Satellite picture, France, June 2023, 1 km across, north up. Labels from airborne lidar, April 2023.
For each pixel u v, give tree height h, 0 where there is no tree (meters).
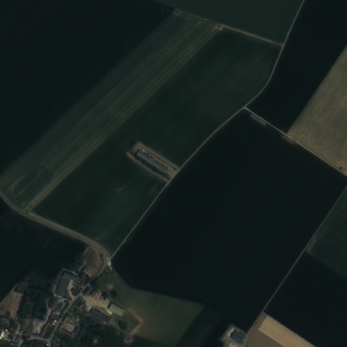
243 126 0
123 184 0
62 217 0
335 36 0
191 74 0
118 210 0
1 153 0
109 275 0
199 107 0
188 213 0
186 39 0
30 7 0
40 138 0
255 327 0
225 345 0
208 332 0
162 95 0
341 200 0
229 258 0
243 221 0
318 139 0
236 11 0
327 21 0
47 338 0
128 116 0
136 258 0
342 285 0
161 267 0
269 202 0
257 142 0
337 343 0
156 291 0
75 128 0
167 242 0
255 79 0
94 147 0
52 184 0
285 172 0
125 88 0
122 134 0
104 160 0
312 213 0
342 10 0
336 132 0
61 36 0
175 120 0
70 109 0
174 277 0
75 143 0
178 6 0
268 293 0
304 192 0
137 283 0
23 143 0
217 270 0
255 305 0
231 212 0
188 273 0
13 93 0
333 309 0
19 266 0
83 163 0
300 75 0
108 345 0
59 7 0
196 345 0
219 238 0
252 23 0
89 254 0
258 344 0
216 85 0
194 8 0
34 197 0
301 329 0
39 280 0
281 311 0
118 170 0
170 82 0
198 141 0
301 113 0
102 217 0
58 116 0
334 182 0
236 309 0
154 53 0
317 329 0
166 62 0
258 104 0
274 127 0
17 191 0
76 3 0
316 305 0
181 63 0
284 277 0
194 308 0
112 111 0
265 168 0
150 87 0
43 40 0
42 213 0
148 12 0
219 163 0
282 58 0
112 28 0
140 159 5
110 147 0
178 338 0
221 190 0
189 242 0
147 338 0
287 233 0
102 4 0
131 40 0
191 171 0
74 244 0
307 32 0
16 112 0
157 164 0
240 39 0
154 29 0
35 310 15
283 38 0
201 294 0
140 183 0
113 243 0
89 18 0
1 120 0
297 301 0
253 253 0
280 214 0
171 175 0
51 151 0
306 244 0
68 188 0
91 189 0
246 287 0
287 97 0
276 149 0
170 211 0
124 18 0
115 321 0
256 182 0
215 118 0
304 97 0
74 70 0
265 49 0
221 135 0
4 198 0
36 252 0
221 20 0
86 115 0
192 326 0
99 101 0
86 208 0
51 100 0
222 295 0
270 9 0
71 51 0
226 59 0
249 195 0
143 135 0
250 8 0
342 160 0
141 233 0
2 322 0
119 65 0
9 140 0
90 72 0
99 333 12
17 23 0
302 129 0
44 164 0
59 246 0
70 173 0
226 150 0
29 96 0
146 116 0
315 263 0
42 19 0
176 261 0
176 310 0
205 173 0
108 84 0
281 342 0
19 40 0
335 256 0
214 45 0
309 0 0
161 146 0
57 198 0
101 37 0
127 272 0
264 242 0
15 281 0
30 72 0
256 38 0
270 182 0
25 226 0
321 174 0
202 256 0
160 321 0
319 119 0
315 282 0
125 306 0
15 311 0
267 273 0
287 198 0
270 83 0
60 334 0
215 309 0
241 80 0
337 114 0
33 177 0
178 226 0
